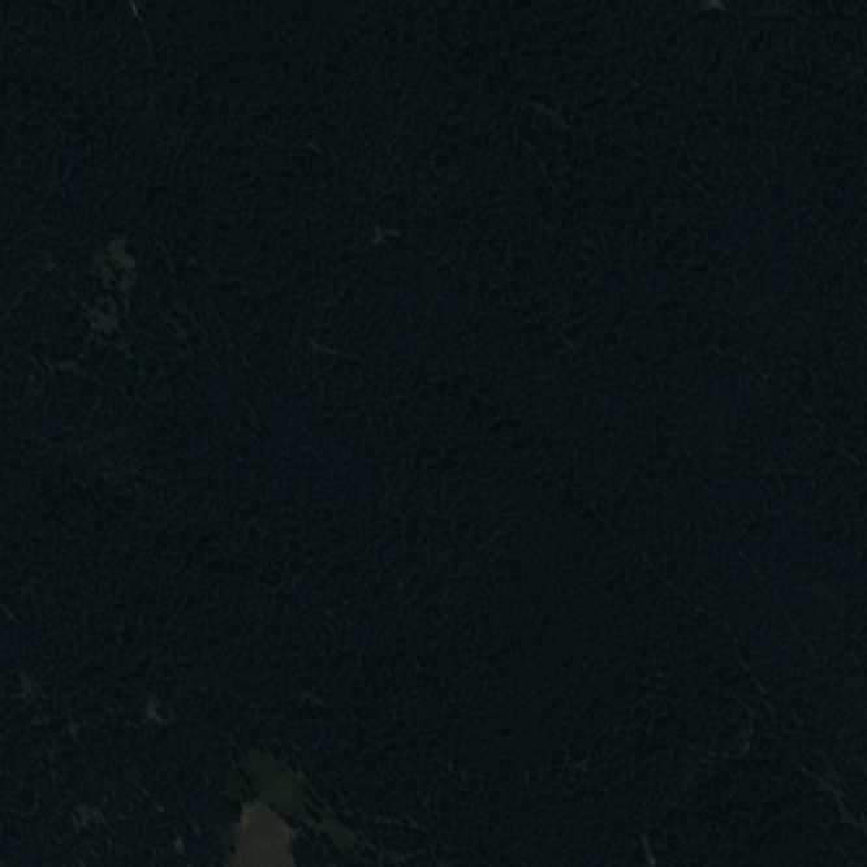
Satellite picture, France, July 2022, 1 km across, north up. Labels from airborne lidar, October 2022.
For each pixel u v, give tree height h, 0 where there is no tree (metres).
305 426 8
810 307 22
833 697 19
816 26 21
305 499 14
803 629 23
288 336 14
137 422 27
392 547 23
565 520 16
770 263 28
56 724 18
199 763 11
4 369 21
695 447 23
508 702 12
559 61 16
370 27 13
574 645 11
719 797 19
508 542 22
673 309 21
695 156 20
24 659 15
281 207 25
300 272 12
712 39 12
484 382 18
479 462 25
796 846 8
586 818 13
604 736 7
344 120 18
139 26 23
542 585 13
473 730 12
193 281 21
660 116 18
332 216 18
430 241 28
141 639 13
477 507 13
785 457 19
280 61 16
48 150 15
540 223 20
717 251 26
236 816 24
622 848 12
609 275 19
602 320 27
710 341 20
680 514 20
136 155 16
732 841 11
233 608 20
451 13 23
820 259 24
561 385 9
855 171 12
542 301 26
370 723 9
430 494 10
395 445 22
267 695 13
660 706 16
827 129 21
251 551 16
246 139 13
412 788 23
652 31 20
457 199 15
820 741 14
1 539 27
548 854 10
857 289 22
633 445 18
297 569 26
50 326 15
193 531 20
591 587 14
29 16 30
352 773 12
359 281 20
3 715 21
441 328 27
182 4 18
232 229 17
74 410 16
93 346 8
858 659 9
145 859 24
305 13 25
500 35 22
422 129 11
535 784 11
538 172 10
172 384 12
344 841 0
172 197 17
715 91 19
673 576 20
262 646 24
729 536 17
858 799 8
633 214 11
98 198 21
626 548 18
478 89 24
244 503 18
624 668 11
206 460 25
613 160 27
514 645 15
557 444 18
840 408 9
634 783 12
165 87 14
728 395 24
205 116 19
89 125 16
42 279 20
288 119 23
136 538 27
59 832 24
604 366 24
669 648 12
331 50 18
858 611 18
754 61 20
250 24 17
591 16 18
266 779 0
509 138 17
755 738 12
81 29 25
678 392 25
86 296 16
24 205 20
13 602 24
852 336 18
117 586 14
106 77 17
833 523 17
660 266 27
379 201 17
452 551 14
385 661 18
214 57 14
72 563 26
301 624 27
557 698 8
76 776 23
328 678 23
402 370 18
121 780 25
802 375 23
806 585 16
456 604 23
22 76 19
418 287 26
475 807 15
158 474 11
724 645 12
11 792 25
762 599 19
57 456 20
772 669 20
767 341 20
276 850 0
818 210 30
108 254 10
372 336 25
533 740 10
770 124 15
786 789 8
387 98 13
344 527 16
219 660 23
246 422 26
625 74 16
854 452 14
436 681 24
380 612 11
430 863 9
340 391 17
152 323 14
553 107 28
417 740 17
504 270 12
